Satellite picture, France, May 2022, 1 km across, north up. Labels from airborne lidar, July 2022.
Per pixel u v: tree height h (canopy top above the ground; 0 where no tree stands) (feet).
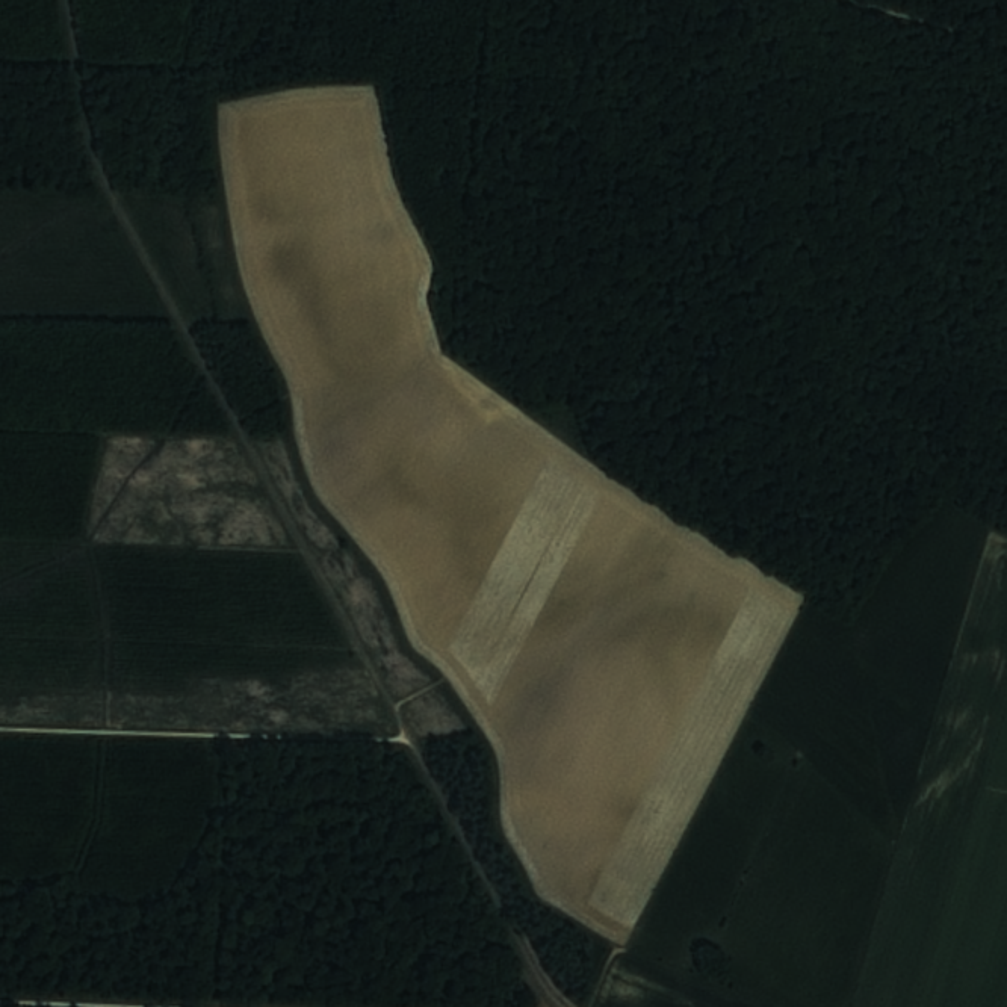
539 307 86
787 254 82
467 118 48
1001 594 0
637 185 81
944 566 0
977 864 0
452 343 51
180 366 37
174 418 37
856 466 85
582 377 75
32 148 77
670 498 95
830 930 0
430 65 60
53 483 25
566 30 86
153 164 94
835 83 72
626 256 91
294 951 85
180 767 25
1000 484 73
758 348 87
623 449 74
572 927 61
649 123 75
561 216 77
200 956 31
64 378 50
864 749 0
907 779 0
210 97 64
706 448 71
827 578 80
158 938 52
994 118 73
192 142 77
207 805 19
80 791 24
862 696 0
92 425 45
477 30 61
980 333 73
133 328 54
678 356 79
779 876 0
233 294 0
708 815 0
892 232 64
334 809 78
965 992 0
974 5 79
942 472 88
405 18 59
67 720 0
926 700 0
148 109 69
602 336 66
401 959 91
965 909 0
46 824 25
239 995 72
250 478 0
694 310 88
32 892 81
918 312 76
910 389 74
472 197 76
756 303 83
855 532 93
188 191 81
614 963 0
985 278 59
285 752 66
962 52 75
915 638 0
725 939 0
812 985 0
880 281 77
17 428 38
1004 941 0
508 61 82
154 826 21
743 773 0
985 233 63
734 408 81
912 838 0
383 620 0
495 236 76
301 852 85
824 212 79
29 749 23
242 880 75
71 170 73
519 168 77
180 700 0
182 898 54
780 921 0
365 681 0
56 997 18
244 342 54
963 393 81
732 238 86
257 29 44
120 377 56
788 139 79
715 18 69
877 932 0
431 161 66
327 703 0
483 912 64
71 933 57
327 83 30
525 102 82
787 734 0
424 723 0
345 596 0
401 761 69
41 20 44
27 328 49
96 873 24
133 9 49
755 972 0
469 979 102
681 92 88
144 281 0
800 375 78
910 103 69
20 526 22
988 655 0
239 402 51
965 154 70
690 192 101
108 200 0
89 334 54
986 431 70
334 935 81
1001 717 0
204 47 40
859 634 0
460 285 59
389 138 46
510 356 60
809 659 0
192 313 0
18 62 31
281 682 0
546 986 0
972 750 0
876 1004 0
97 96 79
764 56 72
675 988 0
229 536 0
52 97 70
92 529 0
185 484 0
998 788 0
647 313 73
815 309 63
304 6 59
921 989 0
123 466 0
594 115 83
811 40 70
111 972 75
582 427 28
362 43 58
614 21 74
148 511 0
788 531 91
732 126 73
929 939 0
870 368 73
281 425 49
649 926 0
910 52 66
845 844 0
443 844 85
